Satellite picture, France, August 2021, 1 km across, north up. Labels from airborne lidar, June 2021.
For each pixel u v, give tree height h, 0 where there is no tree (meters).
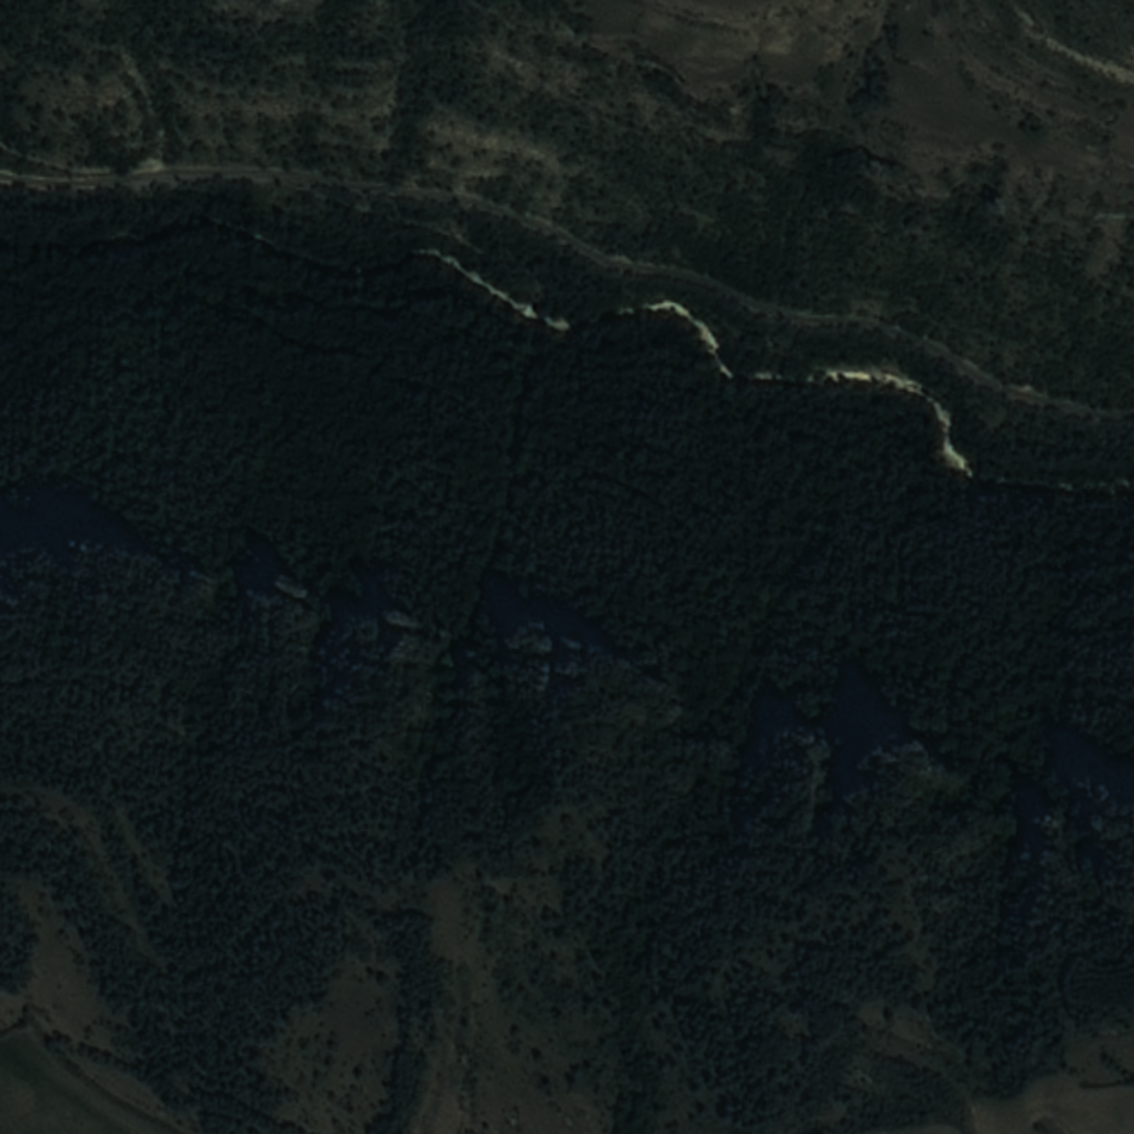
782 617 17
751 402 11
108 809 12
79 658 12
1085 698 10
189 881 17
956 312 6
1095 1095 0
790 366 12
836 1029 14
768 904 13
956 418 13
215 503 13
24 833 11
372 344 13
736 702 19
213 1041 13
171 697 16
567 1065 0
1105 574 16
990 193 10
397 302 18
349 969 0
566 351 12
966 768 19
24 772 13
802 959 6
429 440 11
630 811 7
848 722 21
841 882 14
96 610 7
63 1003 0
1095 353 9
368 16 6
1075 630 13
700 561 10
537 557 9
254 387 12
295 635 8
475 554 14
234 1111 13
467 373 10
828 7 0
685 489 7
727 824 19
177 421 12
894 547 20
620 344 17
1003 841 15
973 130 0
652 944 19
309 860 12
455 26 10
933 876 9
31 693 12
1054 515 18
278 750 16
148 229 15
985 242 10
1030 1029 12
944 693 8
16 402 15
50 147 10
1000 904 11
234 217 13
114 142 8
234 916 13
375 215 7
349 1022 0
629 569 14
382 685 12
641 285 11
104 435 14
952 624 13
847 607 10
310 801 15
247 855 10
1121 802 20
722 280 9
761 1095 10
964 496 14
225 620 11
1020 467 11
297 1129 8
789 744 13
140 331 13
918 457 11
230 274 16
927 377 12
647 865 11
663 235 9
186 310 13
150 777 14
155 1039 14
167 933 13
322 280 26
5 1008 0
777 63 0
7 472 7
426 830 17
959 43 0
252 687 19
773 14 0
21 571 10
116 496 10
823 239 7
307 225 10
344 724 9
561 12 6
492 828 14
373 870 14
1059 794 19
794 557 11
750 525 11
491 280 7
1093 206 10
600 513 13
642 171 5
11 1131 0
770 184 8
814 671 15
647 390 7
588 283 7
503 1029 0
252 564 13
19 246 25
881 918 10
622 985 7
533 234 6
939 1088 7
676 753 7
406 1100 11
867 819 9
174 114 8
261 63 12
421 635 19
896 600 8
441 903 0
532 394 17
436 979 8
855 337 13
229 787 7
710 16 0
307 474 16
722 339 7
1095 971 10
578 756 11
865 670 14
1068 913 12
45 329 14
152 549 11
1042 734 17
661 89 11
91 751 11
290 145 6
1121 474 13
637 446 7
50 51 9
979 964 18
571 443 18
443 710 28
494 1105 0
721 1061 14
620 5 0
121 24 8
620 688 7
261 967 12
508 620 12
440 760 20
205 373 11
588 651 12
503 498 15
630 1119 11
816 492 12
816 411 13
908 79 0
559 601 14
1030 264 7
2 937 13
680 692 11
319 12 6
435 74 11
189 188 8
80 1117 0
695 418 16
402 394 12
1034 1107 0
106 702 9
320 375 19
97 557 10
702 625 15
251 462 16
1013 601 14
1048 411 9
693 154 7
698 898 17
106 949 14
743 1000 12
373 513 18
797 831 9
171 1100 11
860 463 12
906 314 6
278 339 16
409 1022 12
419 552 14
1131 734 15
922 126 0
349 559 19
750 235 6
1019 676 10
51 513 12
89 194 7
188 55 7
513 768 13
